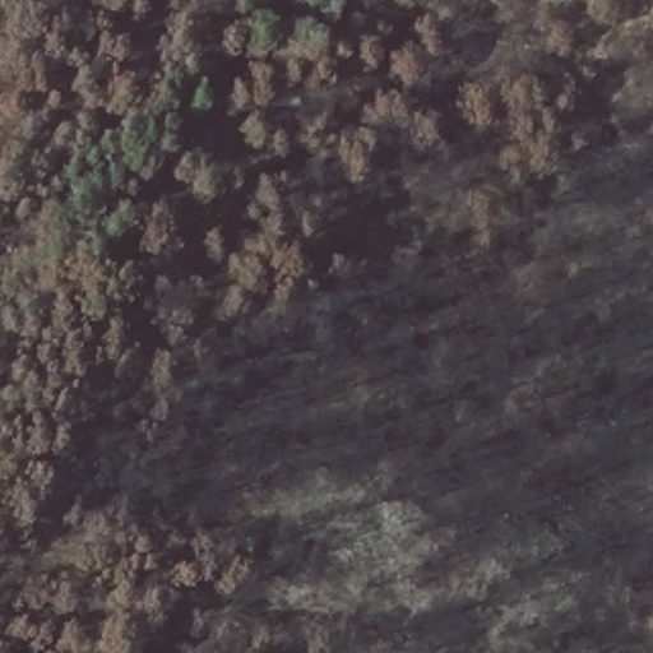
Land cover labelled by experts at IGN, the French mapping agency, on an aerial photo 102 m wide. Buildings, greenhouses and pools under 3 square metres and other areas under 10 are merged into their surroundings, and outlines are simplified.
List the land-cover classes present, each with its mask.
<instances>
[{"label":"coniferous trees","instance_id":"1","mask_svg":"<svg viewBox=\"0 0 653 653\"><path fill-rule=\"evenodd\" d=\"M612 102L635 110H653V0H0V653H327L321 648L319 635L314 633H298L293 643L268 645V627L263 625L258 630L253 622L242 617L253 584L270 571L273 551L260 546L227 548L212 541L207 533L196 536L194 541L181 538L176 531L168 528V513L153 503L150 492L158 477L179 462V457L202 434V423L207 421V380L212 367L224 357L298 355L304 362L311 365L314 380L324 378L327 349L334 347L339 337L349 334V321L339 316V298L344 286L342 255L365 232H390L388 217H380L372 209V194L383 184V168L388 163H398L421 173L426 186L436 189V196L441 199V212L454 219L457 230L474 227V240L480 245H490V237L495 235V222L508 219L510 214L523 212L528 207H536L551 191V179L566 163L579 161L589 145L607 148L617 143L615 125L610 122ZM650 186L643 196V237L648 245H653V163L648 166ZM643 503H633L630 508V515H635L643 531L653 536V472H645ZM584 653H653V566L638 574H627L620 584L594 587L584 594Z\"/></svg>","mask_w":653,"mask_h":653},{"label":"bare soil","instance_id":"2","mask_svg":"<svg viewBox=\"0 0 653 653\"><path fill-rule=\"evenodd\" d=\"M610 122L615 125L617 143L607 148L589 145L579 161L566 163L551 179V191L536 207H528L523 212L510 214L508 219L495 222V235L490 237V245H480L474 240V227L457 230L454 219L441 212V199L436 196V189L426 186L421 173L398 163H388L383 168V184L372 194V209L380 217H388L390 232H365L342 255L344 286L339 298V316L349 321V334L339 337L334 347L327 349L324 378L314 380L311 365L304 362L298 355L224 357L212 367L207 380V421L202 423V434L179 457V462L158 477L150 492L153 503L168 513V528L176 531L181 538L194 541L196 536L207 533L212 541L227 548L260 546L273 551L270 571L253 584L242 617L253 622L258 630L263 625L268 627V645L293 643L298 633H314L319 635L321 648L327 653H584V594L594 587L620 584L627 574H638L653 566V536L643 531L635 515H630V508L633 503H643L645 472H653V245H648L643 237V196L650 186L648 166L653 163V110H635L612 102Z\"/></svg>","mask_w":653,"mask_h":653}]
</instances>
